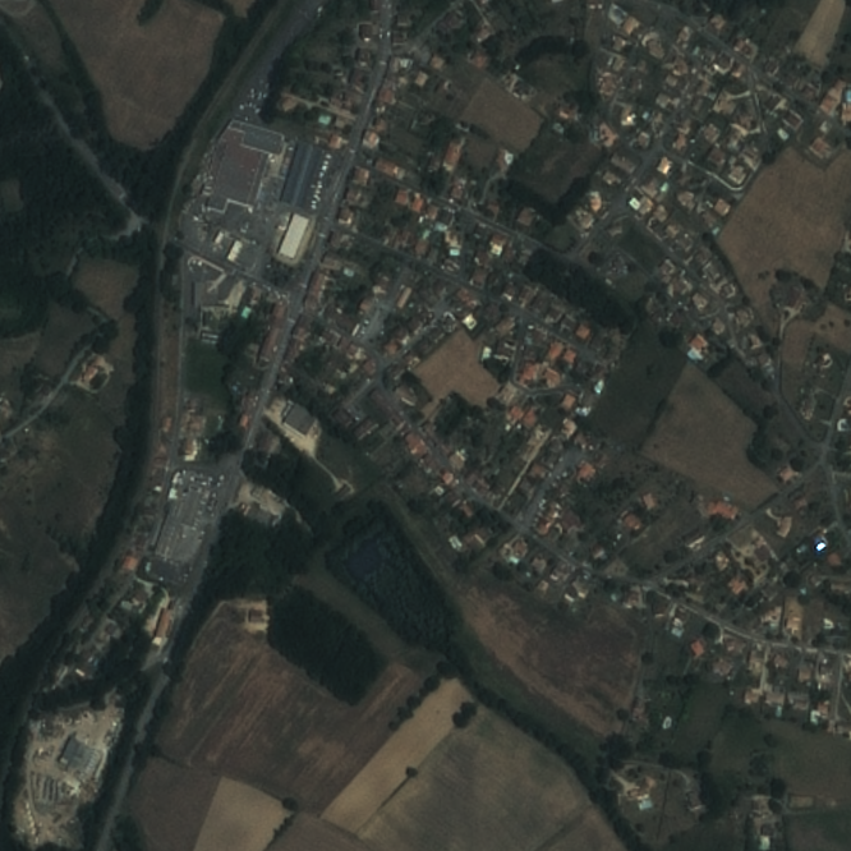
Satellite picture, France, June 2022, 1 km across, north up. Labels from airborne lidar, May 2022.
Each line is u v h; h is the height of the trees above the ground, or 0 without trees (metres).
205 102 13
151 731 14
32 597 0
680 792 0
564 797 0
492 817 0
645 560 0
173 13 0
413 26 6
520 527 0
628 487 6
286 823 10
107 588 8
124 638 13
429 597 16
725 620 0
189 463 0
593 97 13
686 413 0
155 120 0
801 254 0
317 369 6
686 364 0
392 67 0
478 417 7
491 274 8
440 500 9
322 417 14
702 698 0
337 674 16
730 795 0
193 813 0
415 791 0
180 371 0
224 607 0
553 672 0
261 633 0
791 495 6
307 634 14
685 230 0
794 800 0
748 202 0
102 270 0
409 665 0
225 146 0
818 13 0
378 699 0
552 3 0
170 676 12
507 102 0
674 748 0
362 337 0
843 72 16
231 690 0
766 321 0
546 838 0
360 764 0
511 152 0
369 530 13
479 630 0
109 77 0
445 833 0
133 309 16
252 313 8
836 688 0
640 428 0
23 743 15
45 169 11
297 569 15
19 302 8
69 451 0
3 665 9
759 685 0
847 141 7
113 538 14
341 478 0
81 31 0
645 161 0
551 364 0
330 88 8
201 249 0
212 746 0
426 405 0
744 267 0
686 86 0
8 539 0
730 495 0
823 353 6
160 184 28
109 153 8
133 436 12
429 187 7
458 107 0
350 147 0
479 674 0
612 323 23
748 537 0
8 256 14
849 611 13
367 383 0
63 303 14
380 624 0
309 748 0
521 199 18
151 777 0
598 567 6
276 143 0
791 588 12
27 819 0
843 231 0
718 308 0
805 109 10
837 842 0
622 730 0
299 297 0
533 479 6
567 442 9
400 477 10
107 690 18
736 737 0
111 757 8
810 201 0
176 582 0
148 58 0
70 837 0
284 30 0
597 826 0
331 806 0
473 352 0
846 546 0
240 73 0
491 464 8
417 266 7
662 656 0
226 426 10
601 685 0
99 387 13
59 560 0
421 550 0
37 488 0
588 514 6
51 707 24
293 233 0
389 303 0
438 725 0
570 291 16
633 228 0
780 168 0
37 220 22
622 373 0
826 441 0
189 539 0
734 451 0
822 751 0
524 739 0
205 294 0
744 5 24
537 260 13
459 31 8
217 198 0
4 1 0
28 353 0
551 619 0
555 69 0
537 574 11
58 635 13
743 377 0
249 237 0
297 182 0
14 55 24
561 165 0
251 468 17
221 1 20
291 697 0
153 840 0
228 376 8
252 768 0
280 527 8
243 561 7
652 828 0
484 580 0
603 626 0
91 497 0
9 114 19
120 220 16
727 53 0
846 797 0
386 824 0
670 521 0
